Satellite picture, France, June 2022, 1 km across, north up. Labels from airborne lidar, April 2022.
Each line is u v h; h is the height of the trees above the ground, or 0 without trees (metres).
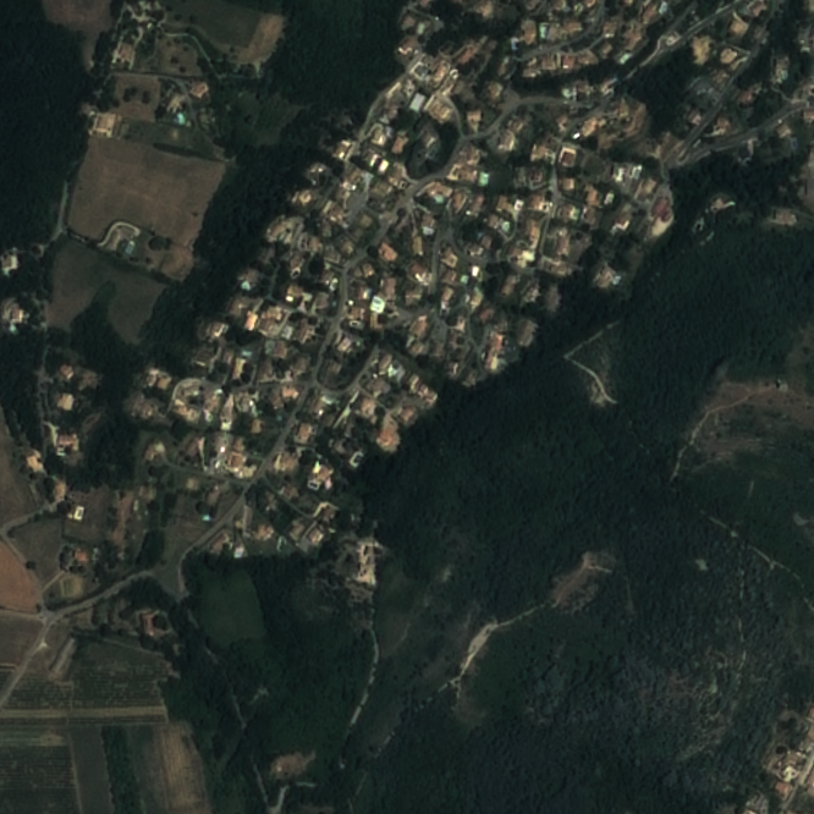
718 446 0
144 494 0
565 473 7
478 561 7
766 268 9
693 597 8
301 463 12
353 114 9
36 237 10
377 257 11
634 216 5
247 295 11
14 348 14
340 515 15
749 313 11
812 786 0
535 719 8
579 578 0
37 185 12
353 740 9
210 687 16
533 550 7
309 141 10
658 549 10
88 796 0
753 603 9
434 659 7
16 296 12
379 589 9
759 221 11
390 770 6
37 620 0
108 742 6
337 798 13
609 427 12
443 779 9
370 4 14
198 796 0
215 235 17
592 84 15
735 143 0
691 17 9
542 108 6
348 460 13
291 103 9
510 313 7
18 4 8
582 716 18
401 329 8
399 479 9
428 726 9
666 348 10
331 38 12
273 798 10
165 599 14
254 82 8
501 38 13
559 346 17
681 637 12
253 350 0
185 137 0
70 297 0
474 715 0
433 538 8
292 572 12
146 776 0
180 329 18
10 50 16
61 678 0
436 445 8
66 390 6
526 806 17
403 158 7
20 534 0
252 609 0
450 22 11
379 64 8
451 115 0
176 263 0
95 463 10
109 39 10
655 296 10
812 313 7
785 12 11
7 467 0
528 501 12
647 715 9
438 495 8
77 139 11
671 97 20
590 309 20
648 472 14
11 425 9
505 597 7
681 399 11
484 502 14
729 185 21
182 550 0
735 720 10
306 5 8
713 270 9
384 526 15
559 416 9
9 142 17
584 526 14
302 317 13
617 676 18
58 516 6
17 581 0
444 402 18
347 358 9
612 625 16
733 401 0
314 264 11
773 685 12
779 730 7
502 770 15
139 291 0
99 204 0
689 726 8
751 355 6
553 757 19
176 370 10
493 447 11
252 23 0
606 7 7
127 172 0
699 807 20
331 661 7
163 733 0
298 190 11
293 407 9
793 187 11
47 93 16
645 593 8
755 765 17
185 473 0
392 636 0
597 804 8
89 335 13
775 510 9
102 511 0
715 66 6
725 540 7
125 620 10
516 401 16
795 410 0
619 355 7
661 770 19
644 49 6
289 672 12
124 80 0
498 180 0
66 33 9
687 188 18
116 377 12
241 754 14
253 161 16
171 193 0
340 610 8
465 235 9
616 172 0
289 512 10
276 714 7
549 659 11
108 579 6
